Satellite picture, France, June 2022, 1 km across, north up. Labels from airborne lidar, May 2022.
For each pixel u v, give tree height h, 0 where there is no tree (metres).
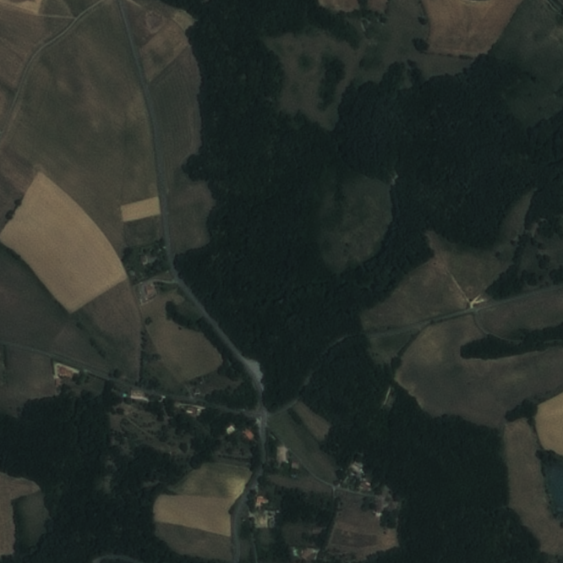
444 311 0
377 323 0
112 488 7
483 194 19
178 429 11
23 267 0
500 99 19
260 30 15
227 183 20
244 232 14
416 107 20
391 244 21
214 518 0
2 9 0
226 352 16
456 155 21
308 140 14
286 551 8
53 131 0
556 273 13
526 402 14
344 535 0
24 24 0
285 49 0
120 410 8
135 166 0
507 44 0
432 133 26
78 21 0
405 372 0
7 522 0
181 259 20
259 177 18
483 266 0
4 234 0
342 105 13
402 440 15
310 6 22
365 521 0
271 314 19
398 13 0
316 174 8
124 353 0
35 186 0
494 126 20
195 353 0
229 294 20
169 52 0
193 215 0
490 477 17
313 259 10
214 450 19
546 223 11
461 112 19
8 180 0
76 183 0
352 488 6
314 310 16
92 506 19
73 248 0
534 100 0
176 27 0
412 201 13
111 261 0
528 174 17
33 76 0
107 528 20
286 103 0
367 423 12
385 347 0
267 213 22
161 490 12
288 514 11
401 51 0
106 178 0
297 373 20
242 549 0
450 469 15
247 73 12
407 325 0
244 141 20
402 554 16
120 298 0
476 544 19
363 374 15
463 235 19
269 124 20
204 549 0
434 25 0
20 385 0
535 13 0
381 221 0
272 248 17
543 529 0
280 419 0
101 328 0
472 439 18
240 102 19
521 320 0
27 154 0
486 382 0
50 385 0
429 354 0
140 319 0
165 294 0
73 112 0
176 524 0
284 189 18
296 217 19
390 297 8
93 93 0
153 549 16
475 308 0
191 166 15
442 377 0
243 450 7
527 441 0
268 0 20
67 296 0
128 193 0
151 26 0
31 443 17
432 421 18
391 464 17
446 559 18
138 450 12
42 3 0
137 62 0
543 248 11
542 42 0
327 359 17
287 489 9
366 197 0
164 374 0
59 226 0
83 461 16
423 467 10
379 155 19
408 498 8
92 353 0
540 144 14
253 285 17
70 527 23
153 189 0
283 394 18
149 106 0
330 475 0
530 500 0
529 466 0
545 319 0
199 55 14
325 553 7
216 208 14
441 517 20
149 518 15
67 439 17
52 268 0
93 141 0
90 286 0
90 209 0
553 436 0
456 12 0
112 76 0
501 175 17
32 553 13
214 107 17
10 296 0
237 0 18
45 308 0
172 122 0
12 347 0
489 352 15
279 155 20
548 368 0
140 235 0
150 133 0
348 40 8
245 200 19
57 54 0
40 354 0
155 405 11
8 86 0
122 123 0
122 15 0
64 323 0
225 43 12
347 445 10
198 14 11
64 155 0
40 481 20
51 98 0
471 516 23
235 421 13
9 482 0
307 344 15
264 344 21
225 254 22
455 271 0
